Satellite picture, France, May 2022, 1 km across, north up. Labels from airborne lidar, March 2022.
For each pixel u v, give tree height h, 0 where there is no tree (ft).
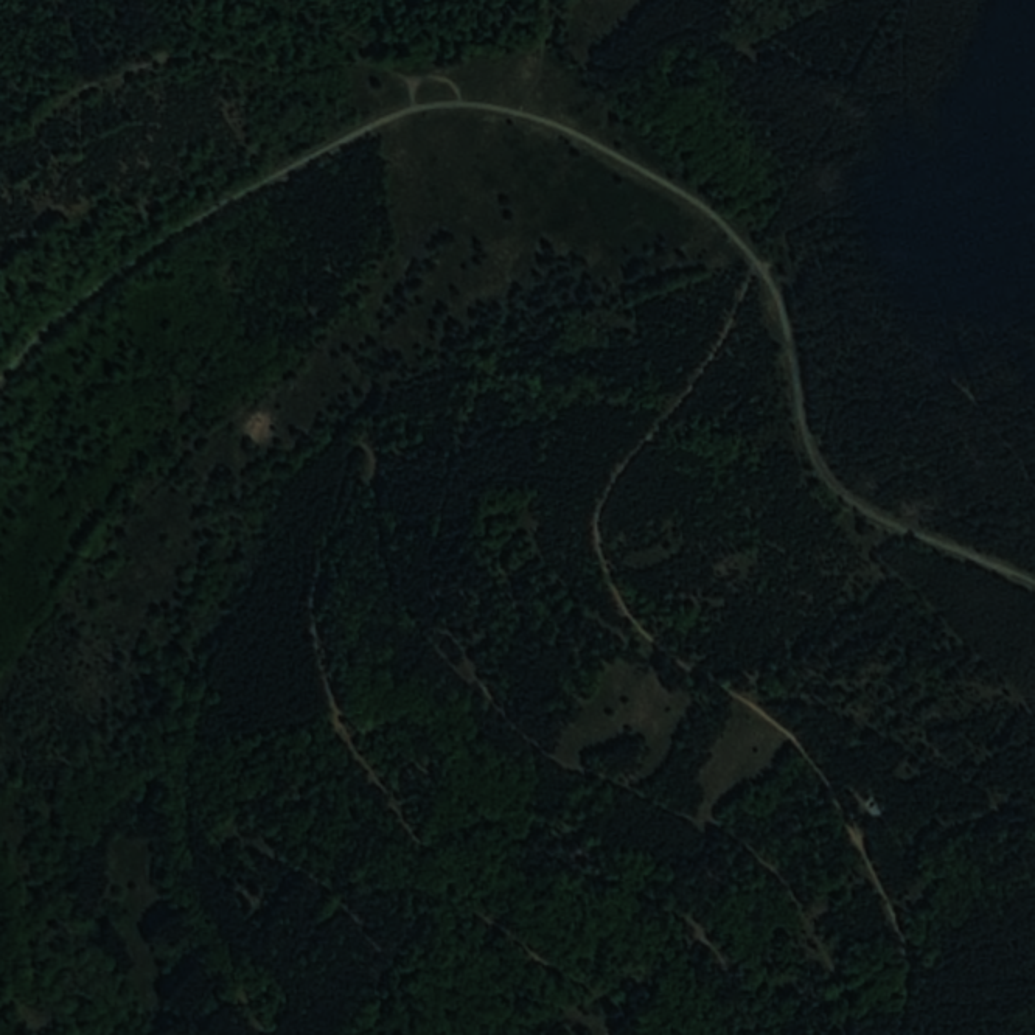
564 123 0
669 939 82
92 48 56
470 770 68
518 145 0
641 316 28
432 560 52
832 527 22
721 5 33
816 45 41
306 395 0
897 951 66
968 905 56
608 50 53
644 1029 63
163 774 76
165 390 48
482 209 0
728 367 26
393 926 80
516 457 55
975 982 48
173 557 0
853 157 53
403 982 77
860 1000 70
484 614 69
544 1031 63
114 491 77
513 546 29
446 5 91
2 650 41
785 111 70
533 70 0
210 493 44
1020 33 55
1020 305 62
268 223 39
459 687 66
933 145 51
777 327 0
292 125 35
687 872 84
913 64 54
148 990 0
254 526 44
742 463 28
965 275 53
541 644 45
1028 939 58
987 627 51
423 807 59
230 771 65
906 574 45
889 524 0
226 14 80
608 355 24
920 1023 62
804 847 81
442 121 0
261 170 43
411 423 27
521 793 60
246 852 25
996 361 61
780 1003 78
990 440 60
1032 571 43
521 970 95
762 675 47
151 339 45
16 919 56
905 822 47
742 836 85
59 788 51
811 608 24
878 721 29
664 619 44
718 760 0
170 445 56
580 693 55
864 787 45
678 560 30
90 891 93
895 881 49
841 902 57
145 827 95
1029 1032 56
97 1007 81
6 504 35
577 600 76
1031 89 55
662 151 25
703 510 29
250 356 43
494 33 76
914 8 55
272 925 81
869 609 41
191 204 59
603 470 28
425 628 70
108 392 50
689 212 0
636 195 0
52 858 56
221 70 20
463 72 0
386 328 28
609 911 80
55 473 95
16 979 72
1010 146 52
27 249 77
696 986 80
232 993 65
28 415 85
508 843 79
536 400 45
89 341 29
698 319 28
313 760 61
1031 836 49
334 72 31
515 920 78
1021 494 55
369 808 57
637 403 30
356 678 77
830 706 19
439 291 0
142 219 54
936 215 60
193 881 60
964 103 57
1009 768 39
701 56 45
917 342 54
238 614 60
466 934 87
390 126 0
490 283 0
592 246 0
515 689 48
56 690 22
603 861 66
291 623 54
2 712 25
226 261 35
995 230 59
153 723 59
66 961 71
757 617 22
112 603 23
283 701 63
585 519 26
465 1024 96
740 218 25
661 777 40
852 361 66
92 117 18
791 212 41
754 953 79
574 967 84
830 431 48
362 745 31
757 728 0
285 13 27
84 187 18
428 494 51
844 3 31
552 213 0
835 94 59
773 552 27
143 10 57
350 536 64
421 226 0
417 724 62
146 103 19
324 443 43
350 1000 91
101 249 76
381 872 81
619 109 40
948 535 35
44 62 65
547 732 57
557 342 53
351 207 49
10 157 20
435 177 0
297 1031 76
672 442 50
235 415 0
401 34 76
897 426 59
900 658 49
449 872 81
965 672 48
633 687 0
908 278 45
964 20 58
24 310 83
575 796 63
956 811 52
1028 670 42
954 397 51
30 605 34
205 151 42
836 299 34
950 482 48
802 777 78
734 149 52
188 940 39
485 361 58
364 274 37
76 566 51
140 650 29
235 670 59
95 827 96
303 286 44
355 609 70
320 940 84
